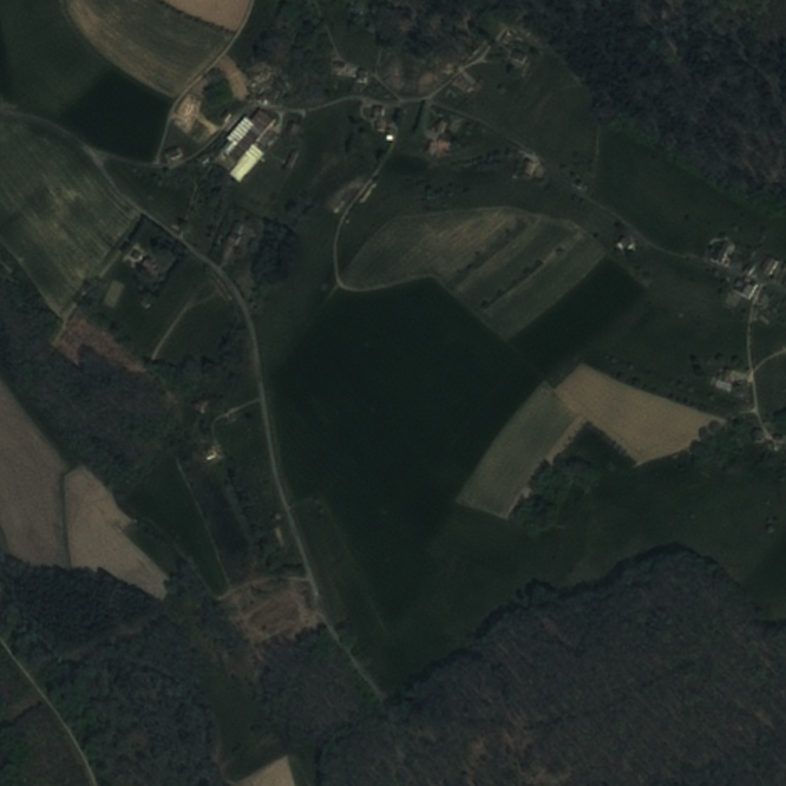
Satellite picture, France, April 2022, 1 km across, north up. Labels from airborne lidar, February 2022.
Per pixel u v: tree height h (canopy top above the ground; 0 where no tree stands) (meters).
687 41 24
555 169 0
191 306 0
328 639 18
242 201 0
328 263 0
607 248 0
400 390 0
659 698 30
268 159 0
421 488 0
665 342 0
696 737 32
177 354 0
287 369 0
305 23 15
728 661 33
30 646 26
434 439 0
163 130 0
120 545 0
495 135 0
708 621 33
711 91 20
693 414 0
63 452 0
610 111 25
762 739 34
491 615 0
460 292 0
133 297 0
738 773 33
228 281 0
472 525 0
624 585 31
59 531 0
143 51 0
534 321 0
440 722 30
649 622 34
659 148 16
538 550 0
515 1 15
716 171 26
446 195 8
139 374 24
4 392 0
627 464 0
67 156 0
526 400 0
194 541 0
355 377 0
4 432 0
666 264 0
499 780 24
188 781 24
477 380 0
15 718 0
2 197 0
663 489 0
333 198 0
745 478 0
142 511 0
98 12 0
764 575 0
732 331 0
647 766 27
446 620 0
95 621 32
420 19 9
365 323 0
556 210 0
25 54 0
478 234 0
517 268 0
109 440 33
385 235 0
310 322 0
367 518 0
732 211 0
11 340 21
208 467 0
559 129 0
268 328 0
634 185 0
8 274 18
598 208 0
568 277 0
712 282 0
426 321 0
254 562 10
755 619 23
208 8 0
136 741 30
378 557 0
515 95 0
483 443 0
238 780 0
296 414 0
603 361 0
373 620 0
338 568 0
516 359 0
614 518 0
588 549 0
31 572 19
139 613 31
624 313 0
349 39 0
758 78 24
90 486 0
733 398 0
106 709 29
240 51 0
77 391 29
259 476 0
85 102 0
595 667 34
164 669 24
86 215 0
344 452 0
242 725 0
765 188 17
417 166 0
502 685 31
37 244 0
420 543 0
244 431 0
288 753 0
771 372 0
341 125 0
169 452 13
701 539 0
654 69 20
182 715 20
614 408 0
